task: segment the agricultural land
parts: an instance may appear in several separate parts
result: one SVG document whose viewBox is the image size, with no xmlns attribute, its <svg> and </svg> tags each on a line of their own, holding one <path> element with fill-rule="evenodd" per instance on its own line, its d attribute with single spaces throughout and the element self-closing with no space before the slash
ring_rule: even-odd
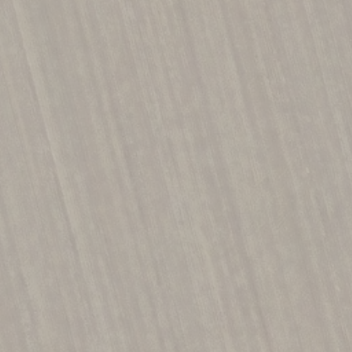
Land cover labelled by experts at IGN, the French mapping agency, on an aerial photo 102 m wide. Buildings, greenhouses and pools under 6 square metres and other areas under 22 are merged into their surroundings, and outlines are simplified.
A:
<svg viewBox="0 0 352 352">
<path fill-rule="evenodd" d="M 352 0 L 0 0 L 0 352 L 352 352 Z"/>
</svg>

